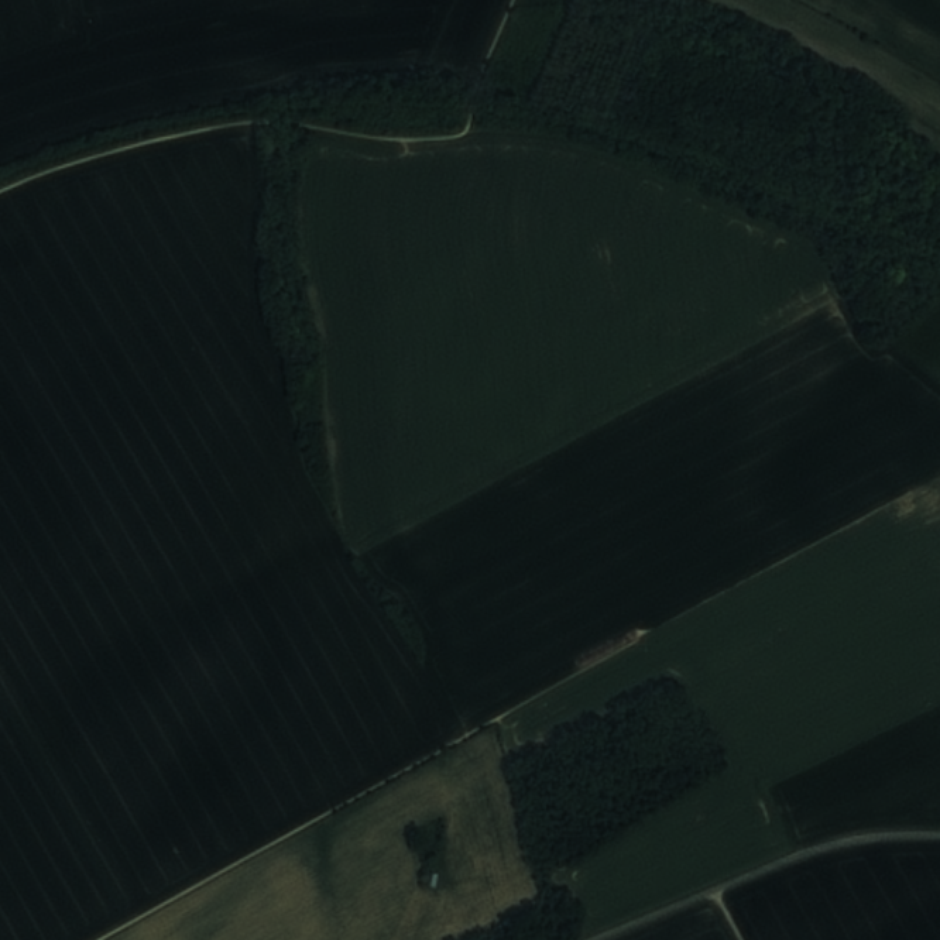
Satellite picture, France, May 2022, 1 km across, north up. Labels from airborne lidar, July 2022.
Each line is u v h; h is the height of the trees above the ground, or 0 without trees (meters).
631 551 0
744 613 0
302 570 0
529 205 0
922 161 19
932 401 0
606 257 0
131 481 0
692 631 0
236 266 0
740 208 13
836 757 0
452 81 18
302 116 21
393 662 0
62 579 0
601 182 0
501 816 0
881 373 0
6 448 0
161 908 0
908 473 0
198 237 0
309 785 0
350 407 0
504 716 0
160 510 0
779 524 0
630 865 0
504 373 0
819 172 24
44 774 0
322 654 0
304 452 11
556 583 0
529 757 21
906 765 0
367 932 0
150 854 0
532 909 23
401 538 0
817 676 0
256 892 0
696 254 0
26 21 0
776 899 0
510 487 0
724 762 15
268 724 0
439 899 0
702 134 22
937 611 0
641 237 0
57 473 0
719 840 0
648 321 0
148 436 0
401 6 0
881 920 0
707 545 0
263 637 0
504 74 6
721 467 0
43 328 0
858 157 25
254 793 0
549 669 0
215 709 0
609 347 0
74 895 0
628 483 0
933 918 0
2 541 0
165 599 0
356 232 0
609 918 0
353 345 0
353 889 0
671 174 18
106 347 0
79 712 0
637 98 18
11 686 0
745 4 0
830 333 0
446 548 0
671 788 21
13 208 0
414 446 0
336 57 0
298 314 22
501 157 0
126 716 0
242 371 0
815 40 0
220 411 0
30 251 0
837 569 0
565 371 0
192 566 0
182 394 0
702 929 0
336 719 0
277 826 0
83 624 0
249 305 0
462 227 0
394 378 0
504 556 0
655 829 0
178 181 0
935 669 0
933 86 0
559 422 0
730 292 0
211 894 0
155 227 0
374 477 0
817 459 0
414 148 0
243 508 0
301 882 0
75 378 0
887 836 0
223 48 0
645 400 0
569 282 0
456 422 0
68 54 0
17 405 0
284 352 15
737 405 0
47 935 0
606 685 0
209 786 0
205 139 0
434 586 0
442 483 0
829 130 27
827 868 0
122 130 6
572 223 0
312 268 0
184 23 0
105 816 0
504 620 0
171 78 0
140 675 0
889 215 17
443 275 0
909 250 21
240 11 0
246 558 0
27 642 0
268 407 0
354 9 0
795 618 0
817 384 0
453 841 0
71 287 0
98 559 0
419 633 19
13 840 0
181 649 0
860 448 0
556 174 0
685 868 0
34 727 0
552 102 13
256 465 0
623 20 17
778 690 0
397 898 0
